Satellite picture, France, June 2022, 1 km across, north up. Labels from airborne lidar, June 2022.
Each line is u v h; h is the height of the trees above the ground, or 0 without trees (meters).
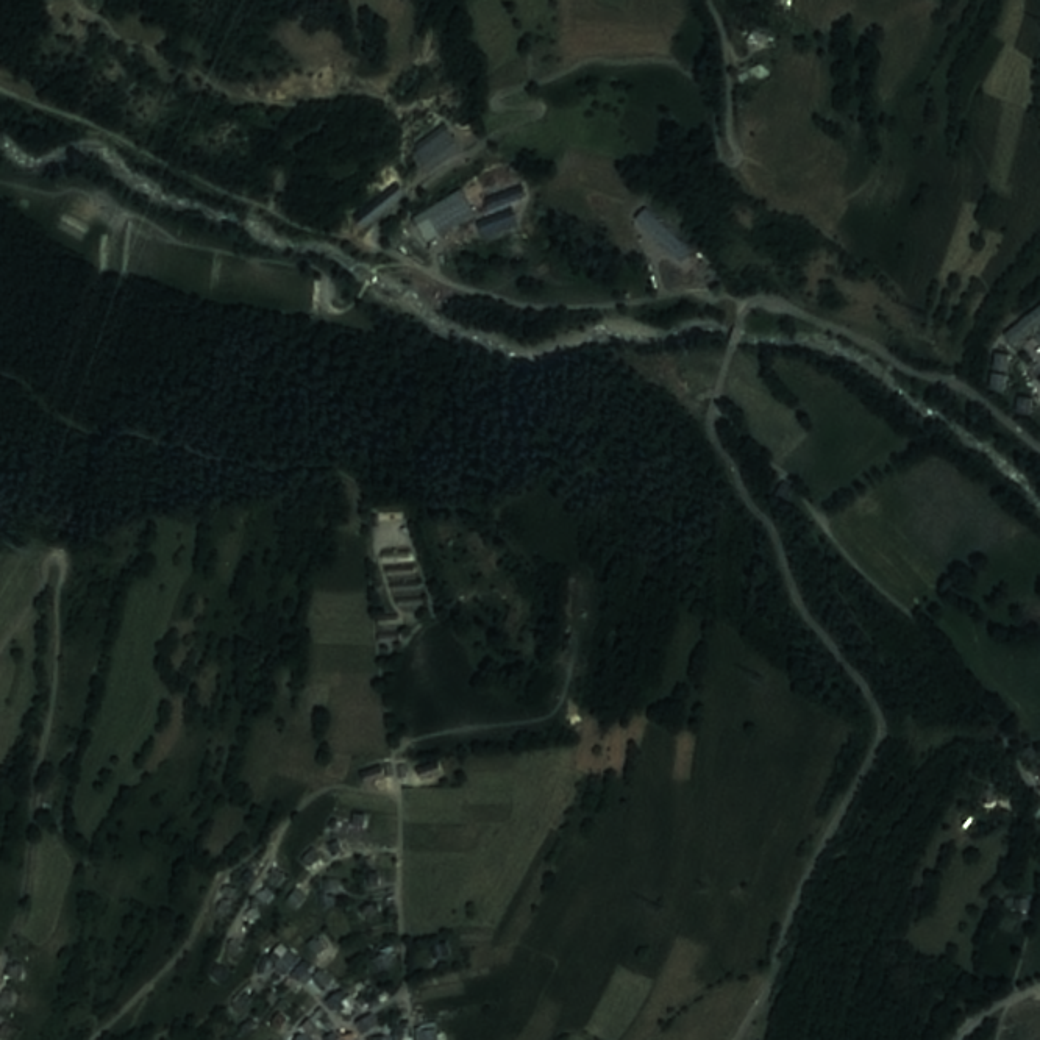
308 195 24
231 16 17
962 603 21
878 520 0
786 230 14
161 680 8
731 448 18
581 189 0
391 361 12
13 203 13
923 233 0
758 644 6
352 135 22
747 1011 0
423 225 0
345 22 21
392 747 11
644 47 0
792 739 0
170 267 0
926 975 19
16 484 22
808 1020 15
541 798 0
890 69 0
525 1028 0
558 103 0
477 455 16
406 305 0
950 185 0
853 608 9
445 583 8
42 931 0
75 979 15
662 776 0
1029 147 0
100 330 24
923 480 0
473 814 0
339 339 18
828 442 0
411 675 0
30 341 30
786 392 21
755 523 10
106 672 7
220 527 0
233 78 16
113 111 10
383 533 0
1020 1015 0
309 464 9
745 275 16
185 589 0
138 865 0
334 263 7
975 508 0
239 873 6
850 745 12
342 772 0
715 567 15
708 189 13
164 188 8
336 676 0
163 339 20
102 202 0
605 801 13
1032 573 0
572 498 18
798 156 0
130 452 13
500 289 0
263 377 19
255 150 12
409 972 9
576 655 0
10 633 0
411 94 14
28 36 21
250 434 20
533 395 25
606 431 16
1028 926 13
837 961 19
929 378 0
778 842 0
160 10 18
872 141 12
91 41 11
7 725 0
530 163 24
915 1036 14
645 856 0
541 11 0
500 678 18
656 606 24
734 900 0
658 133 0
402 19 0
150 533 15
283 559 8
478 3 0
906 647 7
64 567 0
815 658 18
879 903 19
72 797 8
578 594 0
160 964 0
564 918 0
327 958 0
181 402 16
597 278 25
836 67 12
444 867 0
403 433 33
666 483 20
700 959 0
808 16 0
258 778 0
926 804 16
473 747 11
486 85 23
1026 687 0
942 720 10
